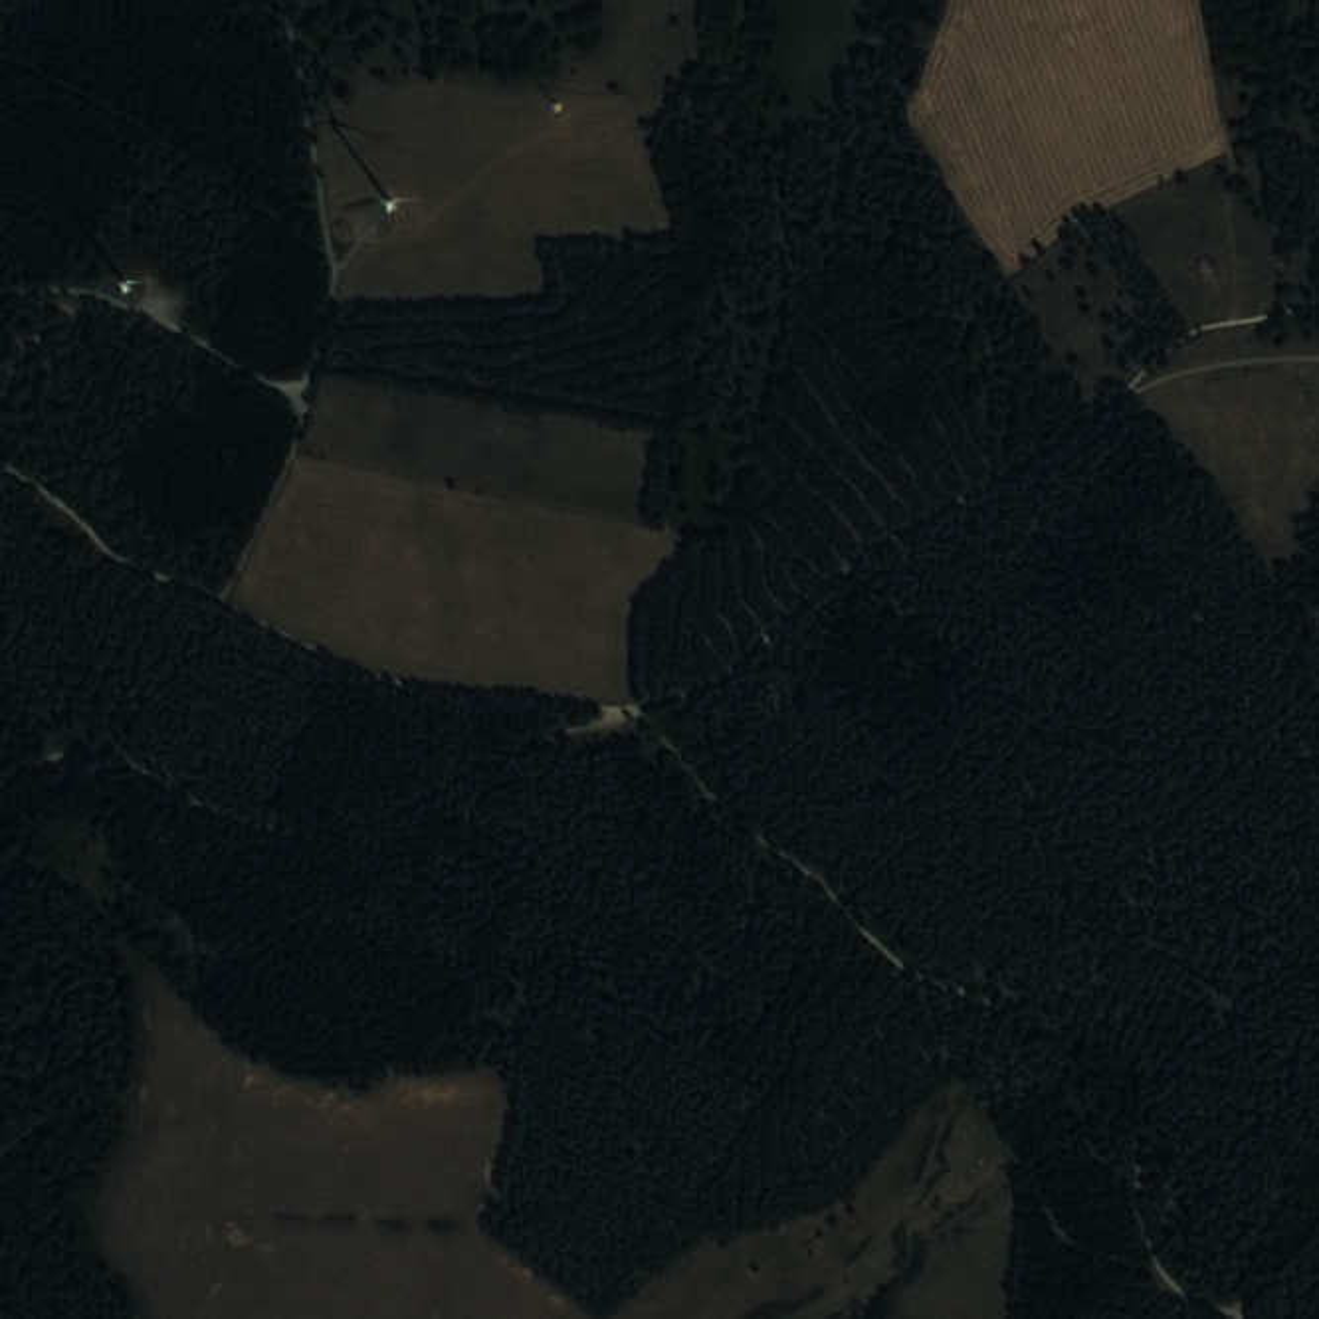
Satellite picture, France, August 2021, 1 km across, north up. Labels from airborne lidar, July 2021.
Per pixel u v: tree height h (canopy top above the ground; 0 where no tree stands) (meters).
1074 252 9
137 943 18
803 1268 0
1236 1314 0
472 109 0
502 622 0
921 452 19
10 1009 6
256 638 21
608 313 17
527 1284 0
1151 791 21
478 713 20
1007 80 0
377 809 21
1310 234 14
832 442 14
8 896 32
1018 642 22
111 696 21
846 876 19
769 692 26
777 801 26
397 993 20
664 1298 0
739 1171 15
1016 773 19
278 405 14
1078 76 0
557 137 0
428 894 23
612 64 0
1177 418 0
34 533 20
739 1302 0
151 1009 0
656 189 0
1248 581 21
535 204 0
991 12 0
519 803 23
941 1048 20
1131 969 16
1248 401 0
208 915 24
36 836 9
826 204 21
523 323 17
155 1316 0
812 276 17
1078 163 0
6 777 11
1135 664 17
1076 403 12
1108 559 23
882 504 17
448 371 17
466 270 0
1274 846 23
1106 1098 19
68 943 34
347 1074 23
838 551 17
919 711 24
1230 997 21
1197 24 0
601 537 0
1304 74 15
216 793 17
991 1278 0
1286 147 18
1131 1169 9
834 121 15
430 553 0
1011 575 23
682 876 23
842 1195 14
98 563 13
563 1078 23
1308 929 24
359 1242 0
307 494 0
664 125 9
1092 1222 16
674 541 0
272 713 21
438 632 0
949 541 24
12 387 9
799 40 0
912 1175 0
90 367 10
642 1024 22
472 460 0
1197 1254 20
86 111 15
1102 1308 15
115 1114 14
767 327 13
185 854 27
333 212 0
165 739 15
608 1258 22
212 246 17
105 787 27
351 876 22
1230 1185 25
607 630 0
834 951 17
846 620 14
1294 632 18
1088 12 0
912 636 14
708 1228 18
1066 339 0
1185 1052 24
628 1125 19
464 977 17
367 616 0
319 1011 24
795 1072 16
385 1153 0
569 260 17
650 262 16
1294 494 0
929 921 18
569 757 18
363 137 0
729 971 25
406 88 0
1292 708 24
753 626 21
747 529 15
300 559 0
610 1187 19
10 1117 13
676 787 22
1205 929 16
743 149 14
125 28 16
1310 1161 12
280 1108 0
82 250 13
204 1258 0
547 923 26
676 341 17
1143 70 0
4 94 15
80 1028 28
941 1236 0
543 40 14
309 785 24
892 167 8
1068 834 21
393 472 0
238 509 14
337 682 21
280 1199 0
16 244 19
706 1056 18
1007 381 12
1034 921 24
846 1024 16
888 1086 20
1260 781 19
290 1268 0
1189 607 22
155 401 6
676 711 11
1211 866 21
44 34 17
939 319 11
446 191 0
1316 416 0
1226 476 0
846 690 20
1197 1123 24
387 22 14
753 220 15
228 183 7
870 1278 0
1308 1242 22
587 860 22
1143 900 21
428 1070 16
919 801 23
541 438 0
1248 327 0
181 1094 0
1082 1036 10
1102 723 18
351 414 0
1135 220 0
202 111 11
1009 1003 11
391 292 0
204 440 15
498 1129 0
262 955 24
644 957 16
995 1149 0
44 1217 18
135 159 16
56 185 13
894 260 19
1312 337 10
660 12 0
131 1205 0
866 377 14
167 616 21
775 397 13
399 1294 0
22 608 19
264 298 14
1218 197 0
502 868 26
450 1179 0
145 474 14
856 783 23
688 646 22
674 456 17
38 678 21
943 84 0
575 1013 22
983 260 9
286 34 8
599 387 12
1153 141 0
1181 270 0
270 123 14
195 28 15
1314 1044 21
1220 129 0
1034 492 24
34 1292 19
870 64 8
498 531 0
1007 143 0
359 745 22
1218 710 19
